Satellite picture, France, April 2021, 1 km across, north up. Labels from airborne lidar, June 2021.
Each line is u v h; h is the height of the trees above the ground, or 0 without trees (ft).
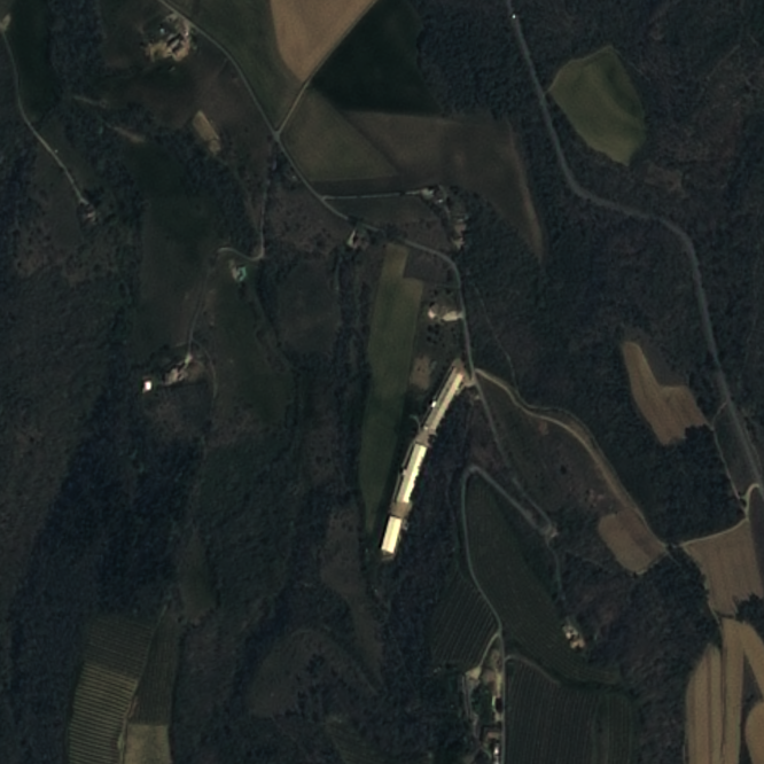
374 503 0
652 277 22
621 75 0
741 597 0
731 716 0
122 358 63
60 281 45
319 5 0
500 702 29
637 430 28
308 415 0
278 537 62
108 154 33
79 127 65
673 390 0
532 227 0
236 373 0
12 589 46
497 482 49
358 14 0
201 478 37
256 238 22
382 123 0
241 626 49
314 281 0
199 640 54
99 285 46
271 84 0
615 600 35
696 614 46
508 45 49
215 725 61
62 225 0
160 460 52
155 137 37
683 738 24
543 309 33
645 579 18
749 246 25
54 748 50
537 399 47
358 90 0
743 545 0
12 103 21
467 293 35
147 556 52
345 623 38
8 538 57
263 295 56
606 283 31
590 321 35
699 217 22
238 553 56
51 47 63
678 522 21
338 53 0
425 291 0
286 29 0
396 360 0
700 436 54
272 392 0
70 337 52
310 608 34
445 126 0
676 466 37
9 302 50
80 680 0
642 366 0
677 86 33
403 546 28
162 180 0
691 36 26
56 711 55
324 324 0
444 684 0
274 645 34
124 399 45
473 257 36
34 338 46
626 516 0
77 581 37
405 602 27
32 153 23
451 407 30
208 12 0
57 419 34
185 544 46
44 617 55
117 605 47
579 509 31
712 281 32
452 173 0
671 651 24
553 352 32
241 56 0
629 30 24
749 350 23
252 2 0
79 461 56
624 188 37
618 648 84
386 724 38
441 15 52
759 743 0
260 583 52
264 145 0
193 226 0
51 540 42
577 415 26
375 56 0
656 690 50
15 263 22
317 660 21
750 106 33
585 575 31
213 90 0
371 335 23
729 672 0
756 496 0
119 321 51
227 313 0
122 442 20
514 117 28
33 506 30
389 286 0
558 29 30
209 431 53
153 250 0
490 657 0
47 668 36
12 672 53
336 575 0
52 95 0
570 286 28
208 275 0
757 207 34
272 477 45
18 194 38
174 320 0
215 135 0
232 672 52
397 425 0
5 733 56
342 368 19
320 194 0
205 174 37
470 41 42
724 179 41
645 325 28
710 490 38
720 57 34
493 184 0
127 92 0
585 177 28
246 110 0
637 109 0
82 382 45
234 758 62
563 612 47
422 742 33
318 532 27
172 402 25
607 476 0
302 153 0
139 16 0
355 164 0
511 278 26
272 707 0
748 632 0
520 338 37
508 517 23
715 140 46
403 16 0
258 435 37
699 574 53
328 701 31
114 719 0
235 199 40
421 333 0
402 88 0
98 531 50
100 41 41
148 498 50
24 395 42
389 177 0
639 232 44
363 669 24
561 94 0
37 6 0
